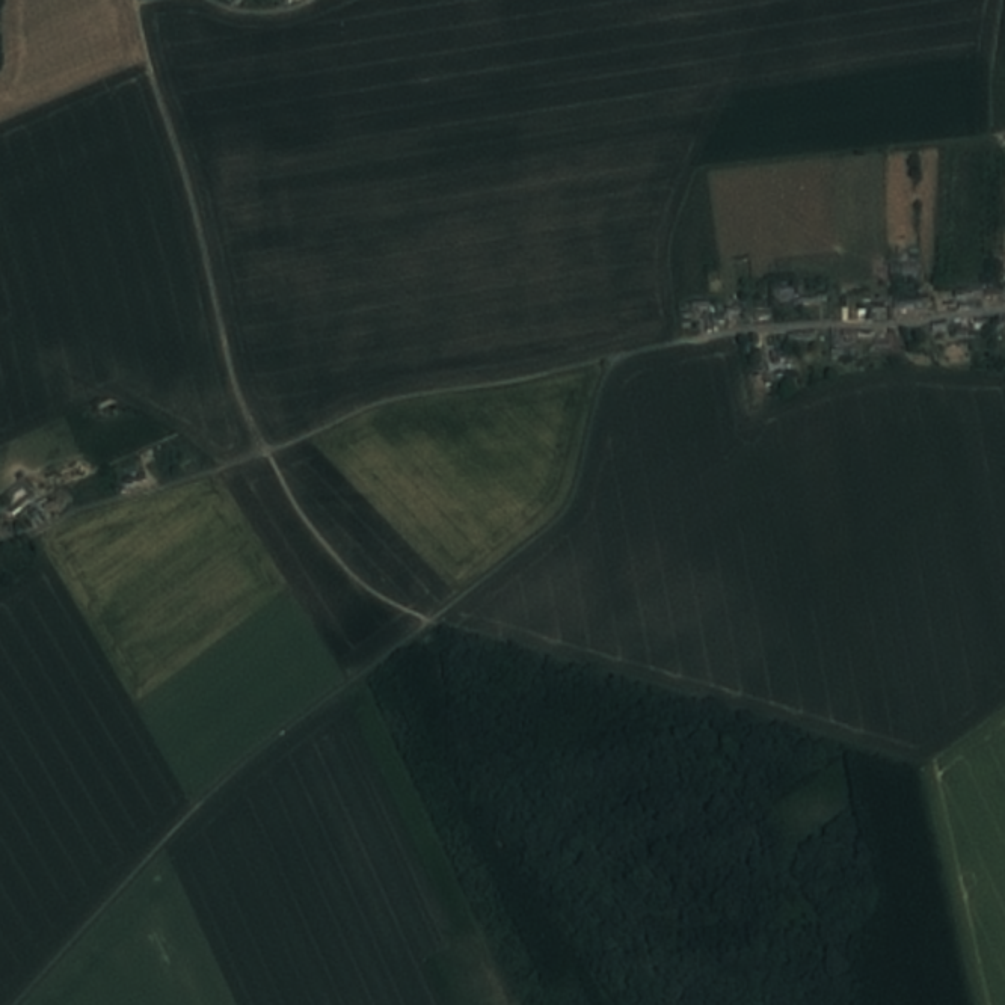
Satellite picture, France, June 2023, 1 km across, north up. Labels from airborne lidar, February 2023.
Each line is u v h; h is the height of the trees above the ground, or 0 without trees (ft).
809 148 0
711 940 42
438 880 0
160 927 0
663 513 0
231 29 0
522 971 31
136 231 0
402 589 0
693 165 0
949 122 0
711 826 60
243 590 0
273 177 0
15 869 0
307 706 0
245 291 0
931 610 0
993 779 0
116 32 0
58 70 0
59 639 0
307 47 0
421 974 0
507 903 46
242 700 0
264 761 0
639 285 0
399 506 0
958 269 0
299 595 0
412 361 0
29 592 0
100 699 0
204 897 0
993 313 0
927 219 0
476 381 0
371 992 0
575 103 0
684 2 0
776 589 0
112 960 0
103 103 0
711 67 0
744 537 0
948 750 0
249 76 0
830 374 44
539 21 0
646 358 0
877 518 0
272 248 0
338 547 0
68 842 0
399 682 42
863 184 0
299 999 0
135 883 0
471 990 0
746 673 0
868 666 0
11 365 0
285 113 0
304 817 0
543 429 0
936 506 0
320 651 0
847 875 47
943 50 0
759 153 0
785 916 66
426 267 0
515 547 0
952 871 0
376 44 0
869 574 0
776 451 0
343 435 0
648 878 72
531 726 49
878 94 0
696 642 0
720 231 0
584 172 0
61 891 0
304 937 0
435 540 0
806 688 0
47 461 0
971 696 0
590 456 0
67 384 0
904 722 0
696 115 0
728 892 50
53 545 0
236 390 0
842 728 0
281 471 0
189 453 0
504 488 0
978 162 0
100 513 0
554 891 52
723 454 0
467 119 0
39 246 0
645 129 0
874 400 0
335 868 0
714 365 0
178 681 0
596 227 0
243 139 0
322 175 0
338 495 0
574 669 41
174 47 0
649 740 48
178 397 0
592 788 59
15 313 0
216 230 0
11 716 0
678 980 78
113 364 0
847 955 37
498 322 0
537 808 67
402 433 0
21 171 0
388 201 0
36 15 0
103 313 0
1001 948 0
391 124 0
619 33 0
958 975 42
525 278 0
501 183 0
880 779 44
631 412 0
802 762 55
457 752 63
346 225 0
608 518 0
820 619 0
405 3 0
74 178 0
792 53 0
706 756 68
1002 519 0
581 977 34
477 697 59
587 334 0
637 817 61
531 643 0
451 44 0
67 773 0
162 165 0
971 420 0
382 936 0
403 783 0
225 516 0
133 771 0
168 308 0
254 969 0
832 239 0
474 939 0
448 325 0
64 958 0
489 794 37
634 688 48
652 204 0
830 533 0
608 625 0
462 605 0
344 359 0
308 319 0
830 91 0
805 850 55
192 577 0
